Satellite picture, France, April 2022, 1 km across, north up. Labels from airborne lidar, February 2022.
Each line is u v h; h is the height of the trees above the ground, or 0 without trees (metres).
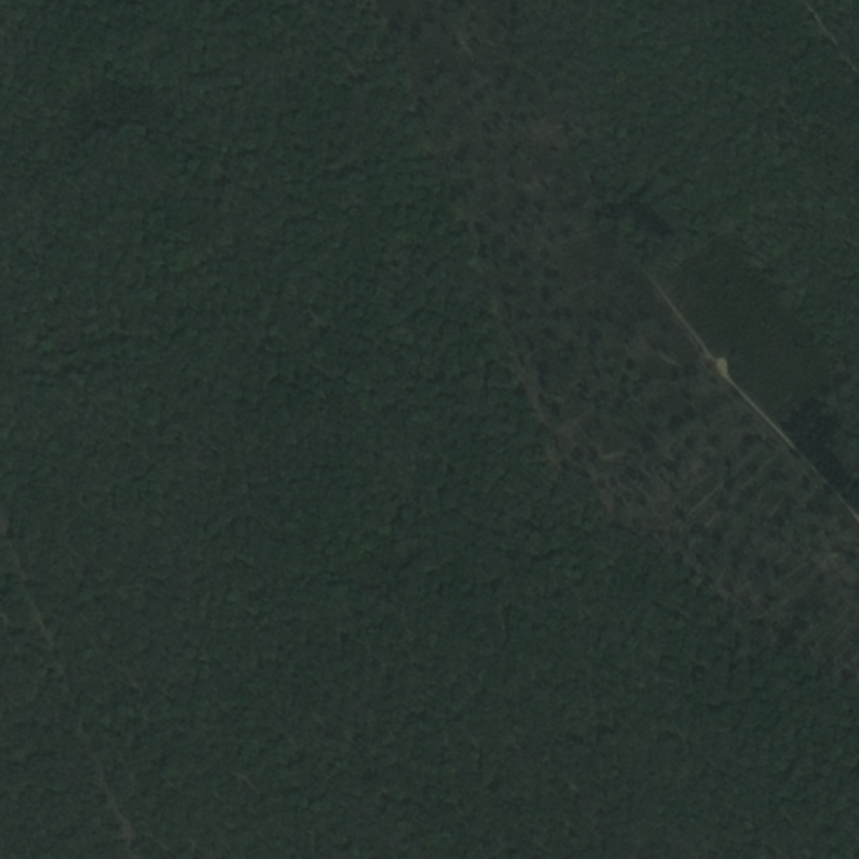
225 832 24
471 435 30
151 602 27
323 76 26
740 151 29
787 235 27
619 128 30
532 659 31
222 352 33
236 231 29
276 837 28
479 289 28
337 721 29
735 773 28
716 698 27
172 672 25
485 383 27
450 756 27
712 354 0
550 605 30
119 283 26
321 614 31
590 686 20
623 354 0
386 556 15
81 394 31
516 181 0
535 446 28
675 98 27
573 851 26
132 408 34
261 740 24
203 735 25
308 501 26
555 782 28
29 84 25
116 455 30
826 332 22
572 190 27
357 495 29
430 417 29
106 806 28
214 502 24
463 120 0
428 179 29
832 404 30
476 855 28
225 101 28
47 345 19
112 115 19
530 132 24
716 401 0
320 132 27
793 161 28
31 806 27
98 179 29
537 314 0
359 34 31
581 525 29
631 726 30
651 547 31
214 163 27
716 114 30
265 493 27
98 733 24
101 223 25
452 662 27
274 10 25
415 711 28
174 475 27
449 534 29
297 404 27
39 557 24
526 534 28
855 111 25
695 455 28
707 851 30
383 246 27
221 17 29
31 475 28
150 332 22
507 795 29
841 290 23
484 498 19
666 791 25
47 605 31
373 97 30
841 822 29
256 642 24
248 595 25
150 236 26
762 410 0
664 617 29
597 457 0
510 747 31
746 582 28
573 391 0
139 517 28
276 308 30
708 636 29
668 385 0
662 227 25
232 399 27
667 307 0
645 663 30
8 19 25
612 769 29
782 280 29
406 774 27
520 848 29
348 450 27
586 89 30
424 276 30
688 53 30
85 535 28
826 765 30
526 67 27
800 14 27
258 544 27
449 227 28
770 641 33
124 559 30
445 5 0
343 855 29
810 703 27
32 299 28
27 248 28
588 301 0
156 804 21
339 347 26
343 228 29
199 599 27
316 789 28
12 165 24
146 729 28
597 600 33
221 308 24
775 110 16
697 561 30
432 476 30
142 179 26
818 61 26
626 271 0
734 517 33
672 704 31
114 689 25
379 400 27
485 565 28
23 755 28
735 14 28
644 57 31
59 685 27
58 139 25
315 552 29
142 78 28
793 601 0
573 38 16
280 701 22
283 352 29
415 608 28
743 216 28
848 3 28
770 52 26
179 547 28
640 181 28
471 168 30
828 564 30
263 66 27
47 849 27
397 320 27
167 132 12
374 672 29
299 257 28
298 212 28
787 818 26
